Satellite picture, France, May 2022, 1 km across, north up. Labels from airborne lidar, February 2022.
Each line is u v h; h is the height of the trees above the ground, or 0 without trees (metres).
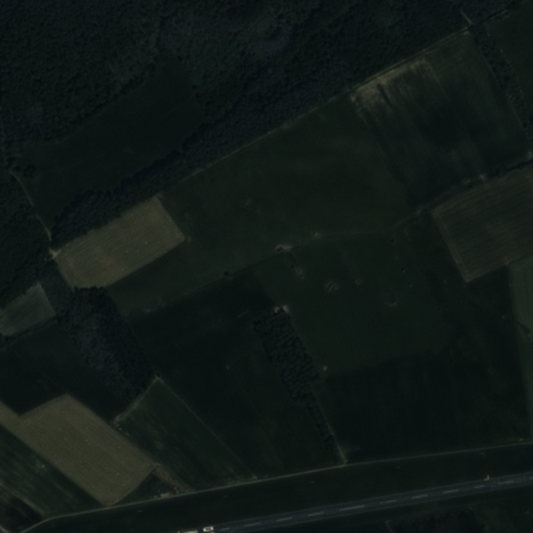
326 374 0
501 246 0
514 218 0
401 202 0
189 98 0
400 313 0
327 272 0
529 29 0
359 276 0
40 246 14
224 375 0
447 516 0
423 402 0
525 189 0
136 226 0
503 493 0
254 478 0
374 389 0
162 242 0
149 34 16
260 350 0
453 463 0
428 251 0
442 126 0
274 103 25
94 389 0
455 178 0
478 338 0
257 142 0
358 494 0
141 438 0
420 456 0
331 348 0
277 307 0
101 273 0
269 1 20
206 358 0
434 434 0
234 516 0
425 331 0
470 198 0
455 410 0
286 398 0
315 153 0
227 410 0
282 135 0
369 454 0
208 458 0
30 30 21
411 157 0
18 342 0
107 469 0
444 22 20
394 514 0
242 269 0
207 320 0
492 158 0
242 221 0
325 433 12
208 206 0
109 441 0
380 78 0
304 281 0
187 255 0
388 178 0
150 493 0
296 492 0
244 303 0
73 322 18
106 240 0
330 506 0
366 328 0
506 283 0
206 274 0
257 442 0
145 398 0
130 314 0
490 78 0
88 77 21
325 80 25
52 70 23
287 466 0
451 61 0
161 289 0
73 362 0
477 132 0
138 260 0
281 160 0
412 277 0
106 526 0
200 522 0
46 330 0
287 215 0
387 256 0
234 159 0
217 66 17
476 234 0
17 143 22
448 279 0
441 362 0
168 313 0
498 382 0
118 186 0
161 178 19
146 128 0
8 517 0
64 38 21
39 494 0
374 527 0
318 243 0
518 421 0
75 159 0
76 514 0
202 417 0
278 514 0
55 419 0
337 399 0
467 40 0
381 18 13
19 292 18
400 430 0
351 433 0
